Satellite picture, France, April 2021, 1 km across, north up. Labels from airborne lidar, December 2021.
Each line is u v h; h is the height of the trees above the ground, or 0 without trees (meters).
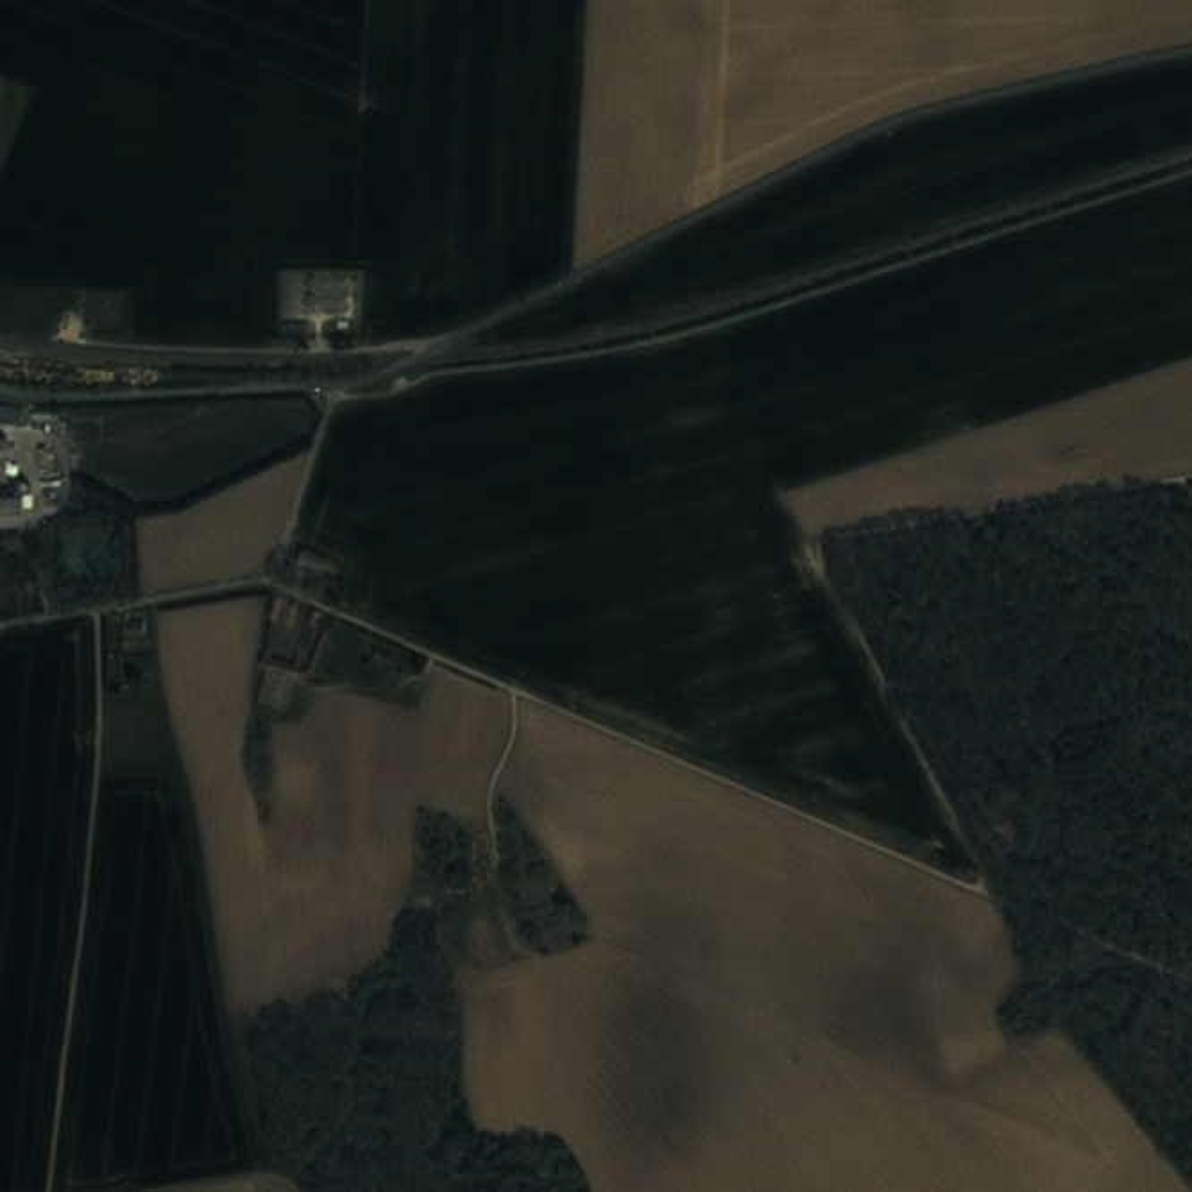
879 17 0
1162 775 12
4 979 0
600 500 0
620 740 0
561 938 0
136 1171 0
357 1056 17
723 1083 0
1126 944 24
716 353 0
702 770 0
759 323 0
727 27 0
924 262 0
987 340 0
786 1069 0
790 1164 0
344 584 8
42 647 0
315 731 0
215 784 0
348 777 0
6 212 0
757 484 0
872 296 0
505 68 0
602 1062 0
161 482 0
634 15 0
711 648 0
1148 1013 23
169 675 0
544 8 0
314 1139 19
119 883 0
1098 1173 0
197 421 0
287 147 0
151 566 0
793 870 0
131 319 0
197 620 0
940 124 0
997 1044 0
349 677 0
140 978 0
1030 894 20
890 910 0
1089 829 30
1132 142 0
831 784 0
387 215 0
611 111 0
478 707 0
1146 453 0
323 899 0
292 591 18
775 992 0
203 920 0
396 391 0
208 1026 0
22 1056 0
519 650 0
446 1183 20
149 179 0
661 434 0
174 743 0
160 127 0
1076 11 0
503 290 0
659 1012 0
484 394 0
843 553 19
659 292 0
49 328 0
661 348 0
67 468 0
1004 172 0
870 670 0
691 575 0
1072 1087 0
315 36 0
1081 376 0
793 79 0
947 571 27
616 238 0
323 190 0
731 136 0
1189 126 0
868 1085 0
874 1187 0
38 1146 0
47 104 0
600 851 0
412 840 0
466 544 0
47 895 0
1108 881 24
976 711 23
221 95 0
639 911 0
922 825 0
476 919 0
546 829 0
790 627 0
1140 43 0
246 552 0
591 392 0
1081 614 26
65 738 0
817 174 0
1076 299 0
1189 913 25
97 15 0
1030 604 26
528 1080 0
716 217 0
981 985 0
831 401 0
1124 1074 24
